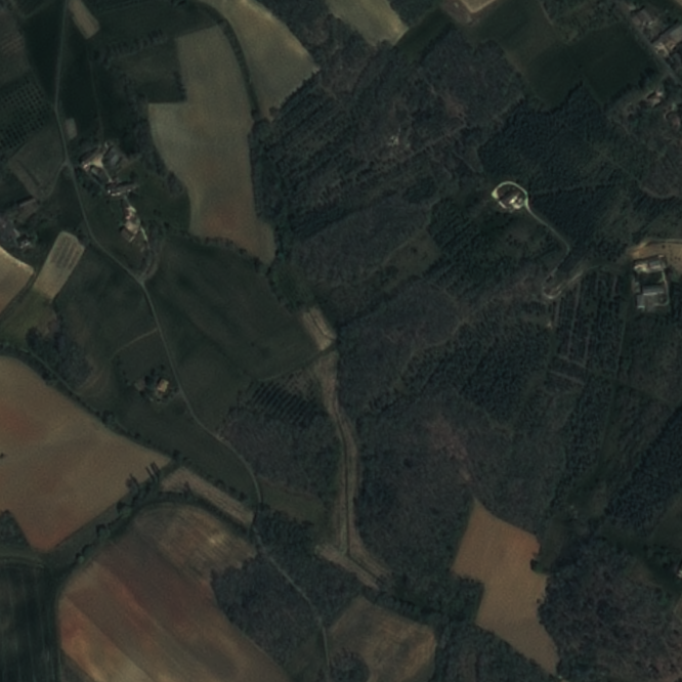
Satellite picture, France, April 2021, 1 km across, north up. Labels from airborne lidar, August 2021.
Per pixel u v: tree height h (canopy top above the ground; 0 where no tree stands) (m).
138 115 16
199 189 0
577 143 11
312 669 0
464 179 14
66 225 8
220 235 0
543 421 13
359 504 18
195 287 0
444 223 7
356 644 0
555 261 0
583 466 16
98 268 0
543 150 12
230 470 0
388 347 13
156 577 0
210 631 0
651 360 8
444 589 25
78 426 0
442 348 7
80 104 0
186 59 0
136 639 0
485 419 15
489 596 0
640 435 10
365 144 14
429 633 0
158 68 0
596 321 8
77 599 0
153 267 13
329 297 9
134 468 0
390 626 0
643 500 14
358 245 11
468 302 7
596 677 13
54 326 11
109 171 11
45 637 0
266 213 7
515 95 20
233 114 0
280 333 0
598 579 6
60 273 0
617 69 0
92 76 0
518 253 0
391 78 20
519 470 16
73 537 0
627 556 16
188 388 0
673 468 15
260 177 14
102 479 0
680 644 0
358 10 0
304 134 9
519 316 11
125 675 0
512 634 0
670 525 0
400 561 22
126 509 17
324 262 13
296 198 15
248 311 0
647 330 10
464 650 16
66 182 0
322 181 20
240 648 0
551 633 18
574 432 16
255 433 18
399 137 0
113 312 0
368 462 14
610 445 0
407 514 21
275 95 0
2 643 0
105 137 0
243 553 0
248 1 0
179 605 0
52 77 0
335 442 16
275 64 0
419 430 14
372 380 16
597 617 7
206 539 0
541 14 0
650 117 22
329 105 13
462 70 17
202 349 0
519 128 15
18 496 0
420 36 0
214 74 0
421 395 8
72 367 23
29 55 0
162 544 0
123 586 0
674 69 8
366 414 11
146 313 0
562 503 15
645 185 15
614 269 0
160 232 13
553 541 0
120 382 0
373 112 11
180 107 0
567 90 0
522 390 12
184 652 0
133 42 0
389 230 17
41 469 0
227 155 0
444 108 7
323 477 19
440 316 19
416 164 8
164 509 0
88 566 0
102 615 0
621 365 11
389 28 0
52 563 0
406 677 0
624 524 12
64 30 0
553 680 13
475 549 0
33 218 8
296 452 16
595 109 10
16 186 0
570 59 0
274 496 0
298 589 13
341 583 13
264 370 0
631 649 15
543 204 8
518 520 14
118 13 0
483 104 21
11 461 0
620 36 0
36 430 0
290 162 13
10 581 0
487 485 20
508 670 16
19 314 0
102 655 0
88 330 0
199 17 0
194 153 0
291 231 8
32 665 0
